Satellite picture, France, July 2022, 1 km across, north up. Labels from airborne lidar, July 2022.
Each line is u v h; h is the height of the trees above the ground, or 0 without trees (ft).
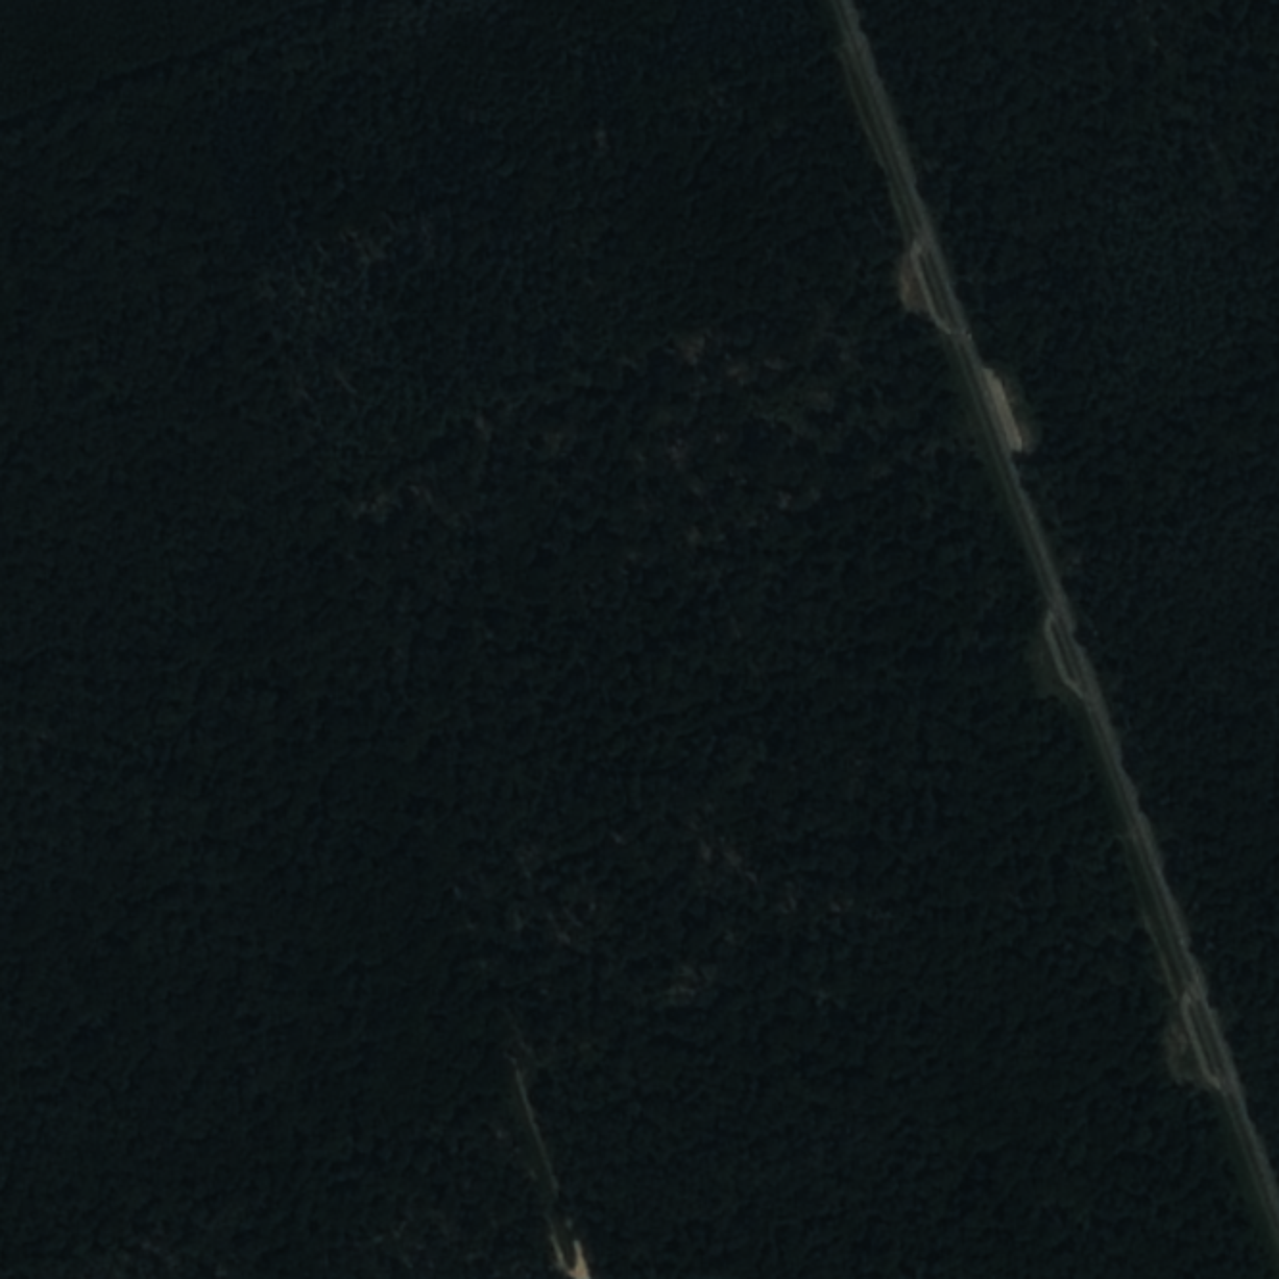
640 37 76
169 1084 89
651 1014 47
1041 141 62
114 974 81
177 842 65
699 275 80
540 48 79
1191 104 65
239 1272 75
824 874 92
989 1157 26
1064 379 87
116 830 87
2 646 79
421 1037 92
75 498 69
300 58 68
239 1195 93
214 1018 72
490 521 74
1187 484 38
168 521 67
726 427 89
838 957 90
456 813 61
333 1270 72
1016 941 30
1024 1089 73
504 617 84
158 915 73
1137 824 0
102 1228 63
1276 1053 67
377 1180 102
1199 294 78
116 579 53
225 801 80
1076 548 53
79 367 50
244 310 95
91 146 74
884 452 52
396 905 73
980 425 0
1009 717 73
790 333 83
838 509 91
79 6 52
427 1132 37
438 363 70
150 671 75
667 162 78
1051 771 83
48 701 40
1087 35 73
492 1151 74
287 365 70
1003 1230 46
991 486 31
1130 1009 92
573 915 72
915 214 0
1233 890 73
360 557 89
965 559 72
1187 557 59
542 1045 85
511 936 90
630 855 84
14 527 73
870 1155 78
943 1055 75
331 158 67
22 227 78
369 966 85
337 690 69
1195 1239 83
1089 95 62
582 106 68
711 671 93
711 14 45
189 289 94
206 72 65
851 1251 49
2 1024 61
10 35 52
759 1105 71
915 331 70
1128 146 66
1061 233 66
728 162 87
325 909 88
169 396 73
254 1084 81
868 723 55
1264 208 73
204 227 97
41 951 69
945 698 78
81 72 43
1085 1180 73
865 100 0
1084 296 67
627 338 64
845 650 50
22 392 87
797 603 89
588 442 85
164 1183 72
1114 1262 93
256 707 88
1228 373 67
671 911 78
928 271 0
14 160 60
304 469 72
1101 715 0
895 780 19
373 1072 102
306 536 66
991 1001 79
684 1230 76
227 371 76
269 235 64
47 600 75
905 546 79
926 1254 21
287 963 91
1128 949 56
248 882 84
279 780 98
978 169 84
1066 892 90
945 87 70
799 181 64
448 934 103
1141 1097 79
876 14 84
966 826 72
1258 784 71
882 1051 94
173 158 108
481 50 92
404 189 85
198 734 86
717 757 58
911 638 36
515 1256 53
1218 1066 0
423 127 80
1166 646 63
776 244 71
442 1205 81
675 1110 79
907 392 78
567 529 95
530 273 59
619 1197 64
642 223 81
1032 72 86
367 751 101
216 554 73
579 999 66
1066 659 0
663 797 72
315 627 88
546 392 62
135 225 96
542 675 53
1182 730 71
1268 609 49
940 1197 78
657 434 84
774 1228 61
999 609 24
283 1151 87
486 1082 98
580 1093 35
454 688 85
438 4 84
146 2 58
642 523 87
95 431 67
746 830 42
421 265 65
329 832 94
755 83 63
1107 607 89
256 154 75
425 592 94
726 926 75
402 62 73
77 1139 80
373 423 75
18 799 75
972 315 20
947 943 73
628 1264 77
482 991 95
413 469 57
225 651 72
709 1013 91
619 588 65
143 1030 74
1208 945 85
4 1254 69
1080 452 85
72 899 79
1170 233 83
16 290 65
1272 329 85
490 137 75
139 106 88
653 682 68
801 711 85
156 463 72
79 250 86
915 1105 71
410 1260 105
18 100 57
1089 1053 85
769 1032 97
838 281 67
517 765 69
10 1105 67
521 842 73
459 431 69
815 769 87
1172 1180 93
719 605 82
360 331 84
